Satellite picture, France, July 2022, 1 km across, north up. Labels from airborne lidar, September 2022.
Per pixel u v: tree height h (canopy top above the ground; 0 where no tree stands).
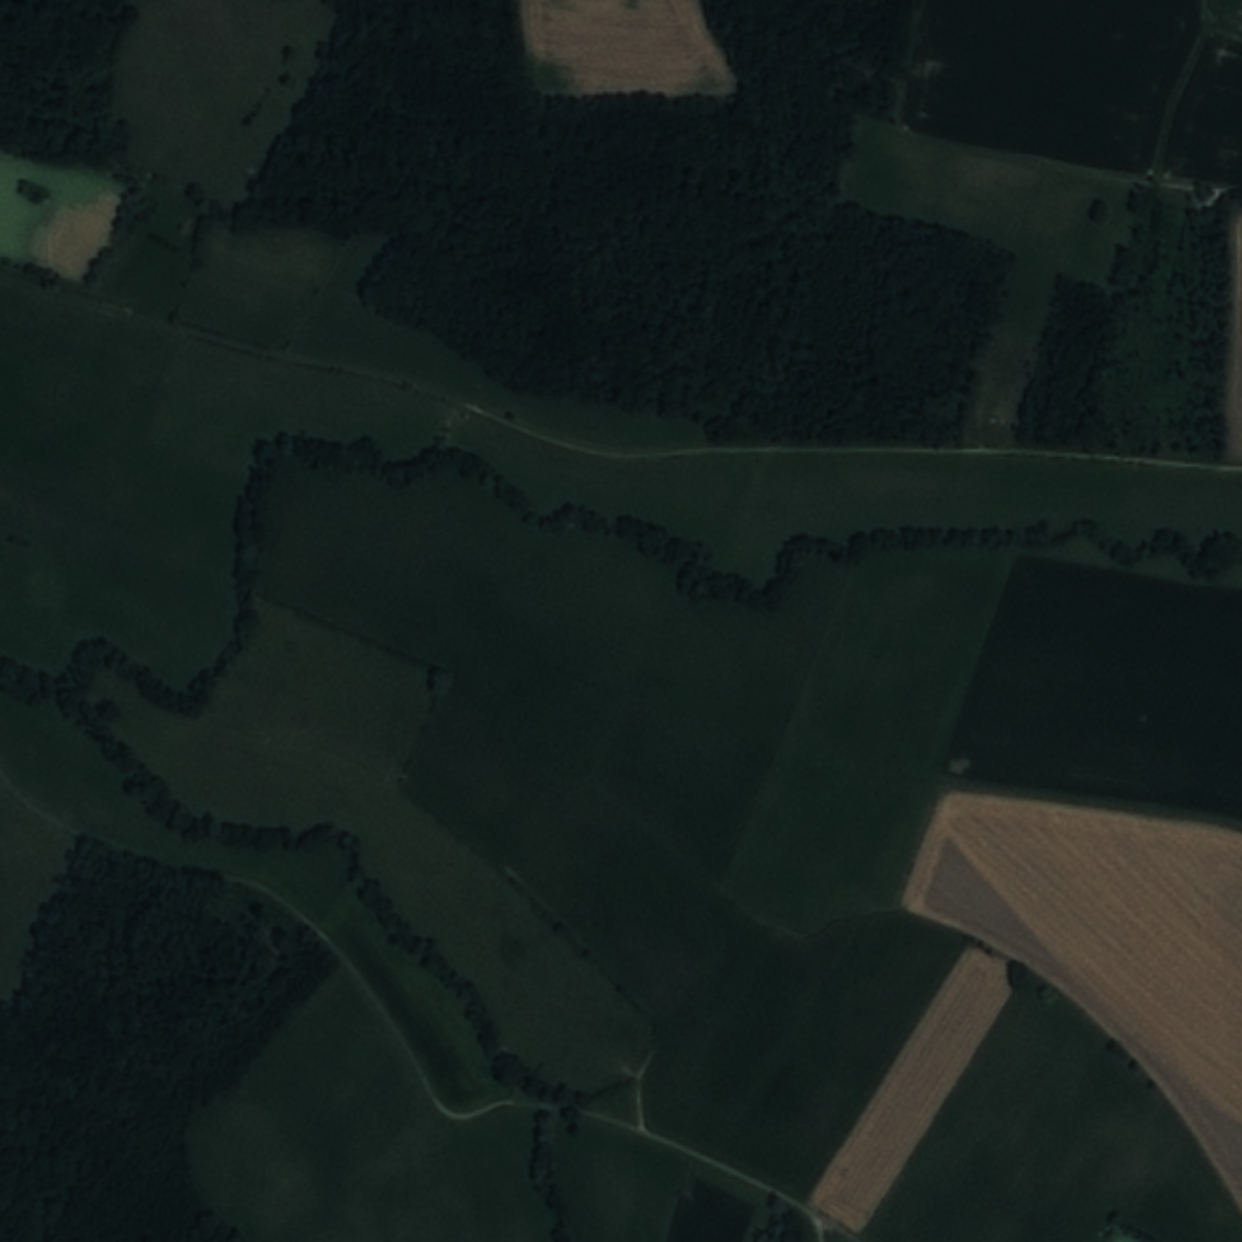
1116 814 0
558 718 0
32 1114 25
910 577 0
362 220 22
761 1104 0
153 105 0
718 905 0
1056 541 10
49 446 0
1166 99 0
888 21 19
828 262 18
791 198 14
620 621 0
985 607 0
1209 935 0
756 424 11
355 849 17
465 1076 0
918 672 0
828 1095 0
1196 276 13
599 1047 0
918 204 0
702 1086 0
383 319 12
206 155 0
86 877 24
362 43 22
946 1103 0
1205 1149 0
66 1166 26
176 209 0
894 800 0
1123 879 0
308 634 0
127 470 0
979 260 22
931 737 0
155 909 29
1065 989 0
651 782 0
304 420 0
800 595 0
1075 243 0
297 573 0
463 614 0
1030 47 0
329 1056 0
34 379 0
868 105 17
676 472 0
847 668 0
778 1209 17
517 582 0
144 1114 19
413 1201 0
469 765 0
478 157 25
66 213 0
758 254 24
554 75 0
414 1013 0
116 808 0
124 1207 8
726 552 0
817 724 0
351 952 0
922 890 0
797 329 23
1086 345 16
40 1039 24
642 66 0
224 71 0
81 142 23
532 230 16
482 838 0
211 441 0
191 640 0
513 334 27
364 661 0
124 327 0
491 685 0
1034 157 0
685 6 0
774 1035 0
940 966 0
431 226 28
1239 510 0
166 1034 22
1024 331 0
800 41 27
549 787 0
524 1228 0
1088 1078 0
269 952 27
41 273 10
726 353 11
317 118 20
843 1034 0
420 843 0
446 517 0
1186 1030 0
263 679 0
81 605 0
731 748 0
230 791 0
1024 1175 0
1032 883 0
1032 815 0
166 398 0
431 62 22
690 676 0
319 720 0
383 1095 0
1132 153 0
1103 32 0
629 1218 0
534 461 0
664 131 24
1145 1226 0
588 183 27
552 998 0
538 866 0
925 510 0
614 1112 0
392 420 0
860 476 0
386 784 0
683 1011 0
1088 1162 0
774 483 0
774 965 0
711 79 0
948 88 0
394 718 0
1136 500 0
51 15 22
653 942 0
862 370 13
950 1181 0
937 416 23
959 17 0
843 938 0
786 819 0
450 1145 0
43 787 0
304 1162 0
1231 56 0
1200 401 7
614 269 16
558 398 15
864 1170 0
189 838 17
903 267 23
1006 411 0
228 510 0
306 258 0
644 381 22
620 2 0
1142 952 0
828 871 0
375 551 0
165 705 11
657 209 27
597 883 0
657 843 0
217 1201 0
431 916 0
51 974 28
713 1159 0
